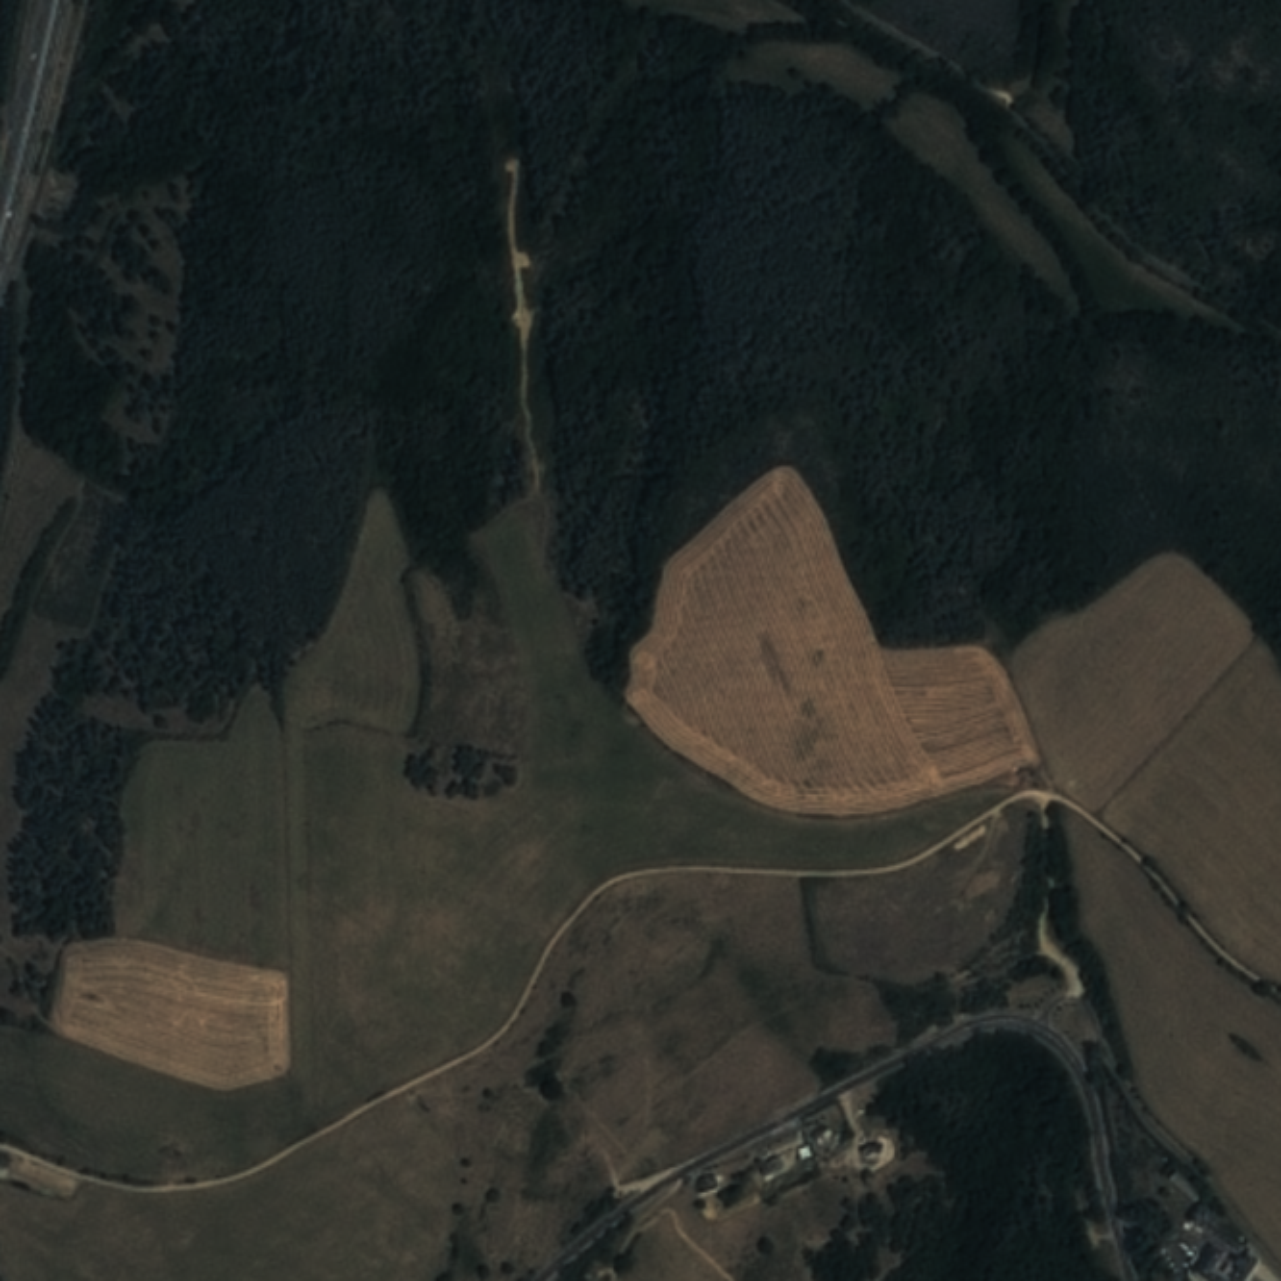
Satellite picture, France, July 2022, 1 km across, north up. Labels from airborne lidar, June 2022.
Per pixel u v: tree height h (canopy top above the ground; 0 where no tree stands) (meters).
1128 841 7
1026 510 17
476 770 13
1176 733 0
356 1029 0
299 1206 0
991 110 20
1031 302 13
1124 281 0
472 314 11
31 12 0
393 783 0
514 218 0
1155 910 0
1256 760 0
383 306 14
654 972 0
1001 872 0
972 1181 18
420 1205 0
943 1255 12
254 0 19
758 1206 0
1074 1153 11
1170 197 7
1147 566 0
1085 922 0
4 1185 0
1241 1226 0
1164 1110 0
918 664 0
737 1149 0
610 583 9
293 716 0
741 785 0
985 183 0
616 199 8
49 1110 0
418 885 0
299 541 18
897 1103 15
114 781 9
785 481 0
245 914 0
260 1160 0
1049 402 23
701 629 0
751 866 0
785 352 8
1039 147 7
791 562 0
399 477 9
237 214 15
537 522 0
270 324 14
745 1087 0
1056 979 12
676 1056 0
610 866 0
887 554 12
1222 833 0
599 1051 0
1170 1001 0
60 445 13
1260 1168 0
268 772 0
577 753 0
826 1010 0
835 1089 0
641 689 0
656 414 19
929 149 0
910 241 12
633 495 9
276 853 0
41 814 17
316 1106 0
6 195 0
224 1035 0
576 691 0
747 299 15
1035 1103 18
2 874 0
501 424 14
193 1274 0
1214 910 0
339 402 9
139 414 11
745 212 14
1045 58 17
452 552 8
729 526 0
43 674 0
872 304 12
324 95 17
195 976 0
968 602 18
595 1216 6
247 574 20
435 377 12
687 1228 0
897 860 0
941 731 0
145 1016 0
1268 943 0
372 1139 0
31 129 0
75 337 8
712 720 0
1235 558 6
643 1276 0
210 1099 0
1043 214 13
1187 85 13
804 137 22
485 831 0
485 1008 0
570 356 24
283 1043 0
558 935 0
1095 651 0
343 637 0
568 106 17
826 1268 9
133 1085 0
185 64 12
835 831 0
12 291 10
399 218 14
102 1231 0
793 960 0
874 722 0
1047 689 0
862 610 0
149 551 14
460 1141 0
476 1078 0
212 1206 0
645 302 15
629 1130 0
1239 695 0
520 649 0
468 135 11
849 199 19
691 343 12
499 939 0
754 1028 0
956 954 0
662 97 14
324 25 17
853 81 0
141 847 0
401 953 0
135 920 0
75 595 0
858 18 10
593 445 13
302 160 13
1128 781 0
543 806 0
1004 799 0
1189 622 0
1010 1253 17
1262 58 0
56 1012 0
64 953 0
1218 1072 0
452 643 0
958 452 18
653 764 0
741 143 18
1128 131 17
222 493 19
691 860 0
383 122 15
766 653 0
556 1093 17
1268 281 12
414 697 0
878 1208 11
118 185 12
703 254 20
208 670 15
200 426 7
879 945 0
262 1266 0
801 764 0
